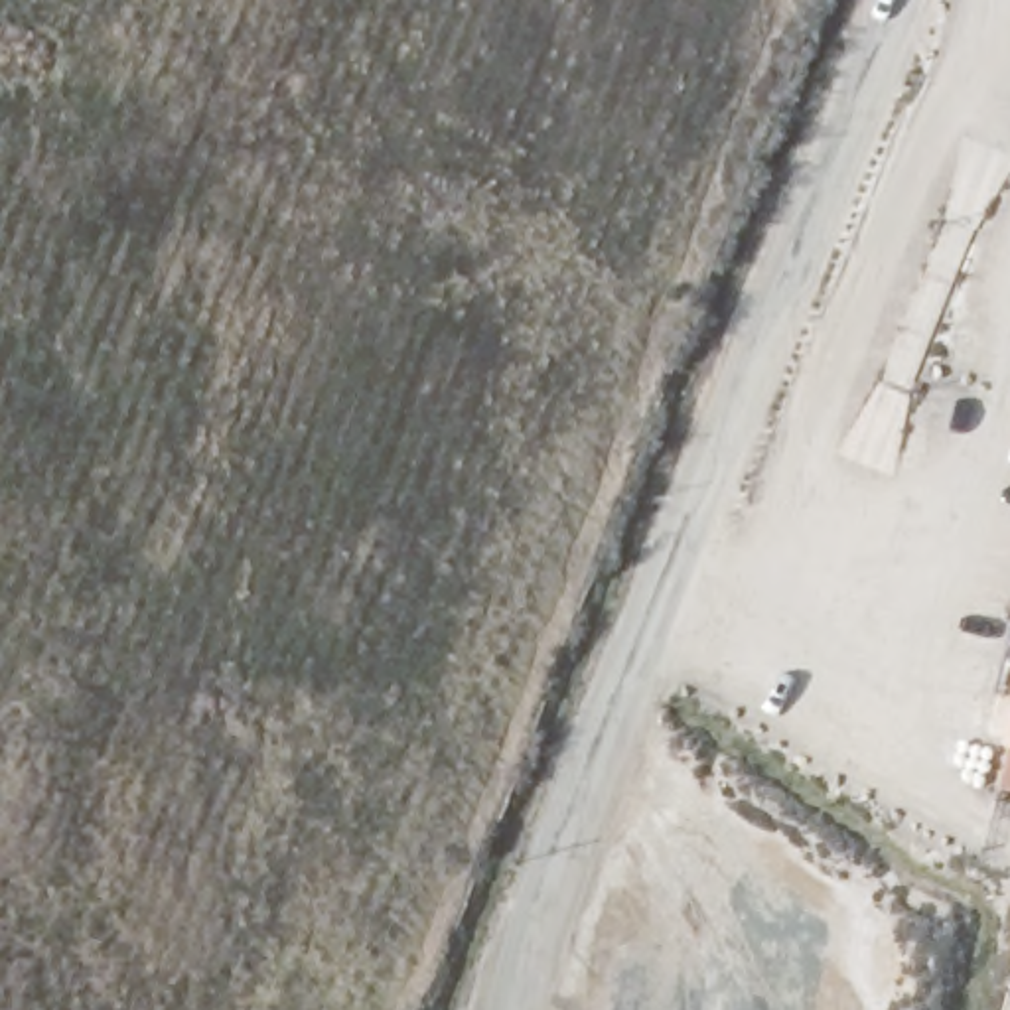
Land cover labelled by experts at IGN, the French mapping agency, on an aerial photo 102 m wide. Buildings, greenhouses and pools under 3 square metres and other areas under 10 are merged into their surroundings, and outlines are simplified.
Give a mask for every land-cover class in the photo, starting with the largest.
<instances>
[{"label":"agricultural land","instance_id":"1","mask_svg":"<svg viewBox=\"0 0 1010 1010\"><path fill-rule=\"evenodd\" d=\"M856 0H0V1010H454L473 951L485 939V919L497 907L501 892L513 884L517 868L525 864V848L517 840L525 832V813L537 801L541 785L552 777L556 758L568 742L580 671L623 604L627 572L643 560L647 529L671 485L675 462L690 438L694 383L702 379L706 359L722 347L730 324L738 320L746 268L754 264L769 221L785 201V189L793 181V154L801 142H809L821 99L832 83V63L844 51V24Z\"/></svg>","mask_w":1010,"mask_h":1010},{"label":"pervious surface","instance_id":"2","mask_svg":"<svg viewBox=\"0 0 1010 1010\"><path fill-rule=\"evenodd\" d=\"M690 683L698 686L702 710L726 714L730 726L742 738H750L761 754H785V761L797 773L825 777L829 797H852L864 809H872L868 840L884 848L888 872L872 876V868L856 864L844 852L821 856L817 829H809L805 844L797 848L789 844V836L758 829L746 817H738V805H758L769 817L785 813L773 789H761L754 785V777L738 773V761L714 754V773L694 777V750H675L667 726V702L679 698ZM1010 694V0H856L844 24V51L832 63V83L821 99L809 142H801L793 154V181L785 189V201L769 221L754 264L746 268L738 320L730 324L722 347L706 359L702 379L694 383L690 438L675 462L671 485L647 529L643 560L627 572L623 604L580 671L568 742L556 758L552 777L541 785L537 801L525 813V832L517 840L525 848V864L517 868L513 884L501 892L497 907L485 919V939L473 951L454 1010H915V943H896V884L907 888L911 903L931 907L935 915H955V927L971 923L974 935L982 927V911L990 907L998 915L994 951L1010 959V805L986 797L982 777L990 765V750H998V738H990L994 702Z\"/></svg>","mask_w":1010,"mask_h":1010},{"label":"herbaceous vegetation","instance_id":"3","mask_svg":"<svg viewBox=\"0 0 1010 1010\"><path fill-rule=\"evenodd\" d=\"M667 726L675 750H694V777L714 773V754L738 761V773L754 777V785L761 789H773L785 813L769 817L758 805H738V817H746L758 829L789 836V844L797 848L805 844L809 829H817L821 856L844 852L856 864L872 868V876L888 872L884 848L868 840L872 809H864L852 797H829L825 777L797 773L785 761V754H761L750 738H742L730 726L726 714L702 710L698 686L690 683L679 698L667 702ZM896 943H915V1010H1010V959L994 951L998 915L990 907L982 911V927L974 935L971 923L955 927V915H935L931 907L911 903L907 888L896 884Z\"/></svg>","mask_w":1010,"mask_h":1010},{"label":"building","instance_id":"4","mask_svg":"<svg viewBox=\"0 0 1010 1010\"><path fill-rule=\"evenodd\" d=\"M990 738H998V750H990V765L982 777L986 797L1010 805V694L994 702Z\"/></svg>","mask_w":1010,"mask_h":1010}]
</instances>
